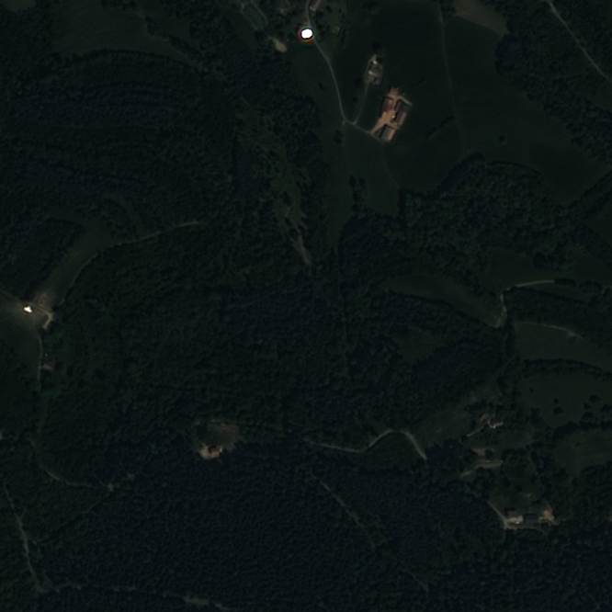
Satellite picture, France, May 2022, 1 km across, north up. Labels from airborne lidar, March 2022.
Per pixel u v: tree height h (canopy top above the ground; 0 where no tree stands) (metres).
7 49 13
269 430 26
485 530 31
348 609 33
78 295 6
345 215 0
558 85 24
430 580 22
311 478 13
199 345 15
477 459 12
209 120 8
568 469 0
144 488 24
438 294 0
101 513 15
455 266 29
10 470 24
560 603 25
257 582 31
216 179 18
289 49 0
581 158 0
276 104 24
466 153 0
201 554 22
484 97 0
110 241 0
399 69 0
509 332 16
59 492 10
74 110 26
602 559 29
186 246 10
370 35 0
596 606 7
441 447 0
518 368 14
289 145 16
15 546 18
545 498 8
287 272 25
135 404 17
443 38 0
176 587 31
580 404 0
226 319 24
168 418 17
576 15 14
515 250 24
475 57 0
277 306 35
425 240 34
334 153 0
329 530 27
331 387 24
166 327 19
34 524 13
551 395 0
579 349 0
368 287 16
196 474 32
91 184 30
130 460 26
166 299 11
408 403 23
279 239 19
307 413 31
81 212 13
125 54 9
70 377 17
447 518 29
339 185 0
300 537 31
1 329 0
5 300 0
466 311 0
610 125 9
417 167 0
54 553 15
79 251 0
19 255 16
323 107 0
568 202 0
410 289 0
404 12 0
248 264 18
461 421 0
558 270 22
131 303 6
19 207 7
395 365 30
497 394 0
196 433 11
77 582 20
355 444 34
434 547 30
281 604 29
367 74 0
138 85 22
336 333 29
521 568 34
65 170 22
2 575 10
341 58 0
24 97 15
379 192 0
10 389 15
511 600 26
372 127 0
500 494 0
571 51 6
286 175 0
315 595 27
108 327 6
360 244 15
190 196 9
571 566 31
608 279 0
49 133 8
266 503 30
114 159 17
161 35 19
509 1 20
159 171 13
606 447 0
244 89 27
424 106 0
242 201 21
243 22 0
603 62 20
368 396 22
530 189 14
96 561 21
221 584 28
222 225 10
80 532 16
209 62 20
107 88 18
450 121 8
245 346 20
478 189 17
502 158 0
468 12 0
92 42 0
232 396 11
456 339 9
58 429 7
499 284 0
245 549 30
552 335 0
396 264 15
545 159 0
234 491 34
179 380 15
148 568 26
